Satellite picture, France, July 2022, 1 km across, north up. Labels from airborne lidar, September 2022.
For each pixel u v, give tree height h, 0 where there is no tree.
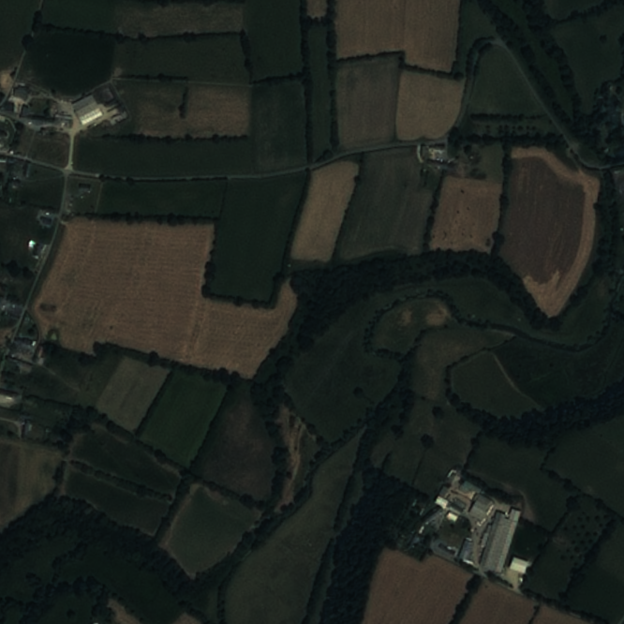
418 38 0
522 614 0
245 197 0
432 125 0
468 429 0
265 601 0
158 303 0
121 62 0
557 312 0
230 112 0
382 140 0
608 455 0
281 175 0
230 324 0
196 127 0
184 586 17
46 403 6
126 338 0
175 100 0
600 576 0
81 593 21
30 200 0
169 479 0
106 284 0
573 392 0
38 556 0
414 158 0
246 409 0
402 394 13
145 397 0
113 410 0
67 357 6
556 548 0
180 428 0
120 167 0
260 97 0
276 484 17
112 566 0
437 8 0
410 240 0
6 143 0
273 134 0
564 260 0
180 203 0
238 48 0
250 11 0
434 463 0
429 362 0
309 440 0
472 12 0
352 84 0
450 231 0
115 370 0
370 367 0
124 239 0
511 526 0
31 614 21
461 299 0
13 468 0
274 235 0
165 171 0
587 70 0
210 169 0
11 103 0
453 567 0
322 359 0
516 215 0
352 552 8
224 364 0
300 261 0
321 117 0
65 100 0
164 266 0
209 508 0
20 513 0
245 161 0
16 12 0
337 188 0
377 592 0
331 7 14
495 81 0
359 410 0
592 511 0
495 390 0
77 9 0
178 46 0
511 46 10
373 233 0
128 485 8
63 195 0
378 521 18
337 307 17
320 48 0
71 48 0
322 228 0
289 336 6
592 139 8
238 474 0
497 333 0
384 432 0
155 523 0
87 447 0
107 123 0
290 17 0
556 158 0
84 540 20
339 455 0
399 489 14
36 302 0
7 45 0
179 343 0
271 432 10
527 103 0
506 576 0
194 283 0
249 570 0
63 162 0
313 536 0
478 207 0
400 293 0
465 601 6
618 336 0
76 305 0
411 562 0
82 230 0
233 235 0
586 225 0
